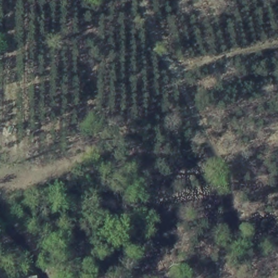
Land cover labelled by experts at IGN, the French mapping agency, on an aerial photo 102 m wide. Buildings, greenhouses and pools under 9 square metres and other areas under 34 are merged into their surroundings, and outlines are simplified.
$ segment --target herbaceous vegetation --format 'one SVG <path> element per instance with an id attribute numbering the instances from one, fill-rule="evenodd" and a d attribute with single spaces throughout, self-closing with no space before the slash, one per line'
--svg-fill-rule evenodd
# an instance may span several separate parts
<path id="1" fill-rule="evenodd" d="M 241 278 L 230 273 L 226 265 L 226 248 L 219 249 L 217 261 L 213 261 L 212 256 L 205 252 L 215 243 L 216 227 L 210 224 L 200 236 L 195 253 L 189 258 L 189 266 L 193 270 L 191 278 Z"/>
<path id="2" fill-rule="evenodd" d="M 15 241 L 5 236 L 2 230 L 0 233 L 0 242 L 4 251 L 12 255 L 28 251 L 29 267 L 37 265 L 41 248 L 34 240 L 33 233 L 18 217 L 14 227 L 22 237 L 22 250 L 17 247 Z"/>
<path id="3" fill-rule="evenodd" d="M 180 251 L 189 250 L 191 237 L 195 232 L 190 229 L 181 230 L 177 225 L 173 219 L 160 219 L 155 224 L 155 232 L 151 237 L 153 248 L 144 251 L 140 260 L 131 266 L 129 278 L 172 278 L 168 270 L 174 264 L 181 264 L 177 260 L 178 255 Z"/>
<path id="4" fill-rule="evenodd" d="M 247 274 L 260 275 L 266 266 L 270 268 L 271 275 L 278 275 L 278 226 L 274 224 L 274 215 L 267 213 L 262 216 L 261 226 L 254 229 L 252 236 L 254 253 L 249 254 L 247 260 L 252 261 L 253 265 L 245 271 Z"/>

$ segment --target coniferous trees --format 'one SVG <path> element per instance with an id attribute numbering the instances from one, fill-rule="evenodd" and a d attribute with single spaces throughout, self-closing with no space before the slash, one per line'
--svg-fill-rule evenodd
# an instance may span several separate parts
<path id="1" fill-rule="evenodd" d="M 45 33 L 46 28 L 46 0 L 40 0 L 40 15 L 36 14 L 34 9 L 30 9 L 29 16 L 39 22 L 40 33 Z"/>
<path id="2" fill-rule="evenodd" d="M 21 142 L 24 139 L 25 108 L 23 90 L 18 89 L 14 100 L 14 118 L 17 125 L 16 140 Z"/>
<path id="3" fill-rule="evenodd" d="M 142 56 L 143 106 L 149 108 L 148 62 L 146 56 Z"/>
<path id="4" fill-rule="evenodd" d="M 238 21 L 236 17 L 228 20 L 232 48 L 247 48 L 252 45 L 248 39 L 244 33 L 242 20 Z"/>
<path id="5" fill-rule="evenodd" d="M 258 154 L 258 159 L 265 163 L 270 172 L 266 184 L 278 186 L 278 155 L 269 148 Z"/>
<path id="6" fill-rule="evenodd" d="M 61 116 L 58 117 L 62 151 L 65 151 L 67 146 L 66 138 L 76 135 L 75 130 L 66 129 L 65 98 L 62 100 Z"/>
<path id="7" fill-rule="evenodd" d="M 190 229 L 195 232 L 191 237 L 189 250 L 180 251 L 178 255 L 177 260 L 181 264 L 174 264 L 168 270 L 172 278 L 191 278 L 193 270 L 189 266 L 189 258 L 195 253 L 200 236 L 210 224 L 206 219 L 199 223 L 194 217 L 177 225 L 181 230 Z"/>
<path id="8" fill-rule="evenodd" d="M 132 0 L 131 12 L 136 22 L 131 26 L 131 68 L 138 67 L 135 35 L 139 30 L 141 48 L 152 53 L 153 86 L 156 94 L 160 90 L 160 76 L 164 77 L 164 83 L 168 83 L 169 77 L 165 69 L 159 68 L 161 54 L 146 43 L 146 22 L 139 14 L 138 0 Z"/>
<path id="9" fill-rule="evenodd" d="M 218 55 L 216 42 L 225 41 L 222 29 L 213 29 L 210 21 L 205 18 L 204 26 L 210 45 L 210 51 L 207 52 L 203 47 L 201 31 L 195 23 L 197 16 L 192 15 L 191 23 L 201 51 L 200 56 Z"/>
<path id="10" fill-rule="evenodd" d="M 121 25 L 121 76 L 124 78 L 126 34 L 125 13 L 121 13 L 118 23 Z"/>
<path id="11" fill-rule="evenodd" d="M 178 154 L 181 142 L 187 139 L 187 136 L 194 138 L 197 130 L 191 126 L 190 121 L 182 121 L 178 124 L 179 132 L 176 135 L 165 126 L 155 127 L 155 153 Z"/>
<path id="12" fill-rule="evenodd" d="M 28 87 L 26 122 L 31 128 L 36 128 L 33 85 Z"/>
<path id="13" fill-rule="evenodd" d="M 245 271 L 253 265 L 252 261 L 247 260 L 249 254 L 254 253 L 252 236 L 244 235 L 241 231 L 239 239 L 235 241 L 230 237 L 226 224 L 216 227 L 215 243 L 205 252 L 212 256 L 213 261 L 217 261 L 219 249 L 226 248 L 226 265 L 230 273 L 241 278 L 278 278 L 278 275 L 271 275 L 270 268 L 266 266 L 260 275 L 247 274 Z"/>
<path id="14" fill-rule="evenodd" d="M 137 119 L 138 80 L 136 75 L 131 75 L 131 116 Z"/>
<path id="15" fill-rule="evenodd" d="M 278 41 L 278 0 L 263 0 L 268 10 L 269 21 L 273 28 L 273 38 Z"/>
<path id="16" fill-rule="evenodd" d="M 39 117 L 43 119 L 47 113 L 45 56 L 39 55 Z"/>
<path id="17" fill-rule="evenodd" d="M 69 167 L 68 172 L 61 176 L 48 177 L 46 182 L 38 182 L 25 189 L 5 190 L 2 198 L 10 204 L 11 213 L 18 217 L 33 233 L 34 240 L 41 248 L 37 265 L 29 267 L 28 251 L 12 255 L 4 251 L 0 242 L 0 278 L 129 278 L 131 266 L 140 260 L 144 251 L 153 248 L 151 237 L 155 232 L 155 224 L 160 219 L 155 211 L 148 207 L 139 207 L 136 203 L 138 200 L 149 200 L 146 181 L 151 174 L 146 170 L 142 177 L 139 177 L 123 194 L 102 184 L 101 174 L 112 178 L 116 173 L 117 169 L 111 162 L 100 164 L 98 160 L 89 159 L 84 164 L 81 163 Z M 99 257 L 104 258 L 113 253 L 121 245 L 126 252 L 122 263 L 117 267 L 110 267 L 109 273 L 105 274 L 94 262 Z"/>
<path id="18" fill-rule="evenodd" d="M 18 80 L 25 73 L 25 59 L 33 58 L 35 53 L 34 24 L 29 25 L 28 49 L 24 50 L 23 0 L 16 0 L 15 52 Z"/>
<path id="19" fill-rule="evenodd" d="M 184 63 L 186 56 L 182 52 L 175 17 L 169 5 L 166 11 L 169 33 L 175 38 L 170 45 L 177 51 L 178 61 Z"/>
<path id="20" fill-rule="evenodd" d="M 98 110 L 102 109 L 104 96 L 105 63 L 101 63 L 97 71 L 98 93 L 93 99 L 93 105 Z"/>
<path id="21" fill-rule="evenodd" d="M 58 66 L 55 59 L 56 49 L 50 47 L 50 103 L 55 106 Z"/>

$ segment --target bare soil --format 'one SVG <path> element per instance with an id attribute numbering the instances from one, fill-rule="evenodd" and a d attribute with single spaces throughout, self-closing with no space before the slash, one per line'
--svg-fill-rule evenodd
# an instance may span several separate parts
<path id="1" fill-rule="evenodd" d="M 22 237 L 14 227 L 18 217 L 11 213 L 10 204 L 2 198 L 5 190 L 25 189 L 38 182 L 46 182 L 48 177 L 61 176 L 68 172 L 69 167 L 81 163 L 81 155 L 84 155 L 87 148 L 100 141 L 106 127 L 116 124 L 123 129 L 126 140 L 136 141 L 142 149 L 142 153 L 131 153 L 138 164 L 139 177 L 142 177 L 146 170 L 151 174 L 146 181 L 149 200 L 138 200 L 136 203 L 139 207 L 148 207 L 155 211 L 160 219 L 173 219 L 177 225 L 194 217 L 199 223 L 206 219 L 210 224 L 216 227 L 226 224 L 230 237 L 235 241 L 239 239 L 241 231 L 244 235 L 252 236 L 254 229 L 261 226 L 262 216 L 267 213 L 274 215 L 274 224 L 278 226 L 278 186 L 266 184 L 270 172 L 265 163 L 258 159 L 258 154 L 269 148 L 278 155 L 278 87 L 266 86 L 264 77 L 256 72 L 237 76 L 236 65 L 231 64 L 231 61 L 226 65 L 220 64 L 218 60 L 230 56 L 231 60 L 241 60 L 244 54 L 262 50 L 263 53 L 258 58 L 266 61 L 269 71 L 278 72 L 278 41 L 273 38 L 266 41 L 261 39 L 252 45 L 247 48 L 232 48 L 228 20 L 236 17 L 238 21 L 242 20 L 244 33 L 248 39 L 255 30 L 253 22 L 257 18 L 260 24 L 269 21 L 268 10 L 263 0 L 138 0 L 139 14 L 146 22 L 146 43 L 161 54 L 159 68 L 165 69 L 169 77 L 168 83 L 164 83 L 164 77 L 160 76 L 160 90 L 156 94 L 153 86 L 152 53 L 141 48 L 139 30 L 135 35 L 138 67 L 131 68 L 131 26 L 136 22 L 131 12 L 132 0 L 46 0 L 46 28 L 45 33 L 40 33 L 39 22 L 29 16 L 30 9 L 34 9 L 36 14 L 40 15 L 40 0 L 23 0 L 24 50 L 28 49 L 29 25 L 34 24 L 35 53 L 33 58 L 25 59 L 25 73 L 18 80 L 15 52 L 16 0 L 0 0 L 0 233 L 2 230 L 5 236 L 15 241 L 17 247 L 22 250 Z M 175 38 L 169 33 L 166 11 L 169 5 L 175 17 L 182 52 L 186 56 L 184 63 L 178 61 L 177 51 L 170 45 Z M 121 25 L 118 23 L 121 13 L 125 13 L 126 34 L 124 78 L 121 76 Z M 210 51 L 210 45 L 204 26 L 205 18 L 210 21 L 213 29 L 222 29 L 225 41 L 216 42 L 218 55 L 200 56 L 201 51 L 191 23 L 192 15 L 197 16 L 195 23 L 201 31 L 203 47 L 207 52 Z M 55 106 L 50 103 L 50 47 L 56 49 L 55 59 L 58 66 Z M 45 56 L 47 113 L 43 119 L 39 117 L 39 55 Z M 148 62 L 149 108 L 143 106 L 142 56 L 146 56 Z M 98 93 L 97 71 L 101 63 L 105 63 L 104 96 L 102 109 L 98 110 L 93 105 L 93 99 Z M 189 69 L 204 64 L 207 65 L 210 76 L 195 80 L 195 83 L 190 85 L 186 73 Z M 131 75 L 136 75 L 138 80 L 137 119 L 131 116 Z M 28 87 L 33 85 L 36 128 L 31 128 L 26 122 Z M 199 111 L 195 106 L 194 97 L 202 86 L 210 88 L 208 91 L 214 94 L 215 99 L 207 109 Z M 23 90 L 25 108 L 24 139 L 21 142 L 16 140 L 17 125 L 14 118 L 14 100 L 18 89 Z M 75 130 L 76 135 L 66 138 L 67 146 L 65 151 L 62 151 L 58 117 L 61 116 L 62 100 L 65 98 L 66 129 Z M 80 126 L 90 111 L 103 124 L 96 135 L 83 138 Z M 181 142 L 178 154 L 155 153 L 155 127 L 165 126 L 176 135 L 179 132 L 178 124 L 182 121 L 190 121 L 191 126 L 197 130 L 194 138 L 187 136 L 187 139 Z M 215 156 L 215 153 L 227 154 L 224 160 L 229 167 L 227 194 L 218 194 L 216 188 L 204 177 L 202 167 Z"/>

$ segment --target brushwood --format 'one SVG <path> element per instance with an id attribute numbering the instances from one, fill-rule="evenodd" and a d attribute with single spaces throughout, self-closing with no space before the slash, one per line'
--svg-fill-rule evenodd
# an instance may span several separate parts
<path id="1" fill-rule="evenodd" d="M 252 45 L 261 39 L 266 41 L 273 38 L 273 28 L 269 21 L 260 24 L 257 18 L 253 22 L 255 30 L 248 39 Z"/>
<path id="2" fill-rule="evenodd" d="M 117 267 L 122 263 L 126 252 L 121 245 L 113 253 L 104 258 L 99 257 L 94 262 L 105 274 L 109 273 L 110 267 Z"/>

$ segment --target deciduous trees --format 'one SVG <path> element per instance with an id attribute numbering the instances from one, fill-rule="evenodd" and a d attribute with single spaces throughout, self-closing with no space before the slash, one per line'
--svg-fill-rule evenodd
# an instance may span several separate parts
<path id="1" fill-rule="evenodd" d="M 218 194 L 227 194 L 229 167 L 224 160 L 227 154 L 215 153 L 215 156 L 202 167 L 204 177 L 216 188 Z"/>
<path id="2" fill-rule="evenodd" d="M 208 91 L 210 88 L 202 86 L 194 97 L 195 106 L 199 111 L 207 109 L 215 99 L 214 94 Z"/>
<path id="3" fill-rule="evenodd" d="M 103 124 L 90 111 L 80 126 L 83 138 L 96 135 Z"/>
<path id="4" fill-rule="evenodd" d="M 195 83 L 195 80 L 210 76 L 207 65 L 204 64 L 189 69 L 186 73 L 190 85 Z"/>
<path id="5" fill-rule="evenodd" d="M 262 50 L 244 54 L 241 60 L 231 60 L 230 56 L 218 60 L 220 64 L 226 65 L 231 61 L 231 64 L 236 65 L 237 76 L 256 72 L 264 77 L 266 86 L 278 87 L 278 72 L 269 71 L 266 61 L 258 58 L 263 53 Z"/>
<path id="6" fill-rule="evenodd" d="M 123 129 L 116 124 L 106 127 L 100 141 L 87 148 L 84 155 L 81 155 L 81 163 L 84 164 L 89 159 L 98 160 L 100 164 L 111 162 L 117 169 L 116 173 L 112 178 L 101 174 L 102 184 L 123 194 L 139 177 L 138 164 L 131 153 L 142 153 L 142 149 L 136 141 L 126 140 Z"/>

